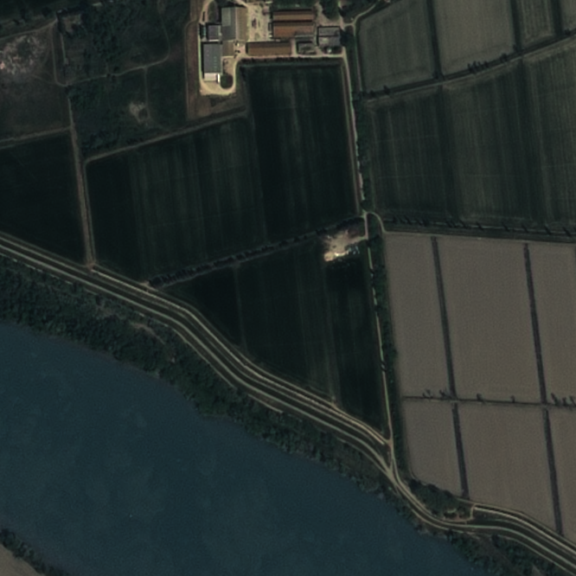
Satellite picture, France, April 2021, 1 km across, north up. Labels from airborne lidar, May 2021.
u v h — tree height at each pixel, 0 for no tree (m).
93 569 0
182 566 0
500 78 0
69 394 0
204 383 14
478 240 0
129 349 20
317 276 0
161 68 0
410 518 9
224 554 0
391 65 0
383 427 0
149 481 0
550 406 0
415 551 0
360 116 12
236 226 0
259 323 0
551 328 0
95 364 0
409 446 0
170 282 13
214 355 0
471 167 0
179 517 0
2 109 0
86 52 9
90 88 13
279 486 0
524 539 0
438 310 0
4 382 0
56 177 0
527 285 0
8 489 0
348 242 0
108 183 0
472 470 0
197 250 0
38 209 0
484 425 0
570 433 0
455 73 0
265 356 0
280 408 0
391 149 0
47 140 0
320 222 0
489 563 18
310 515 0
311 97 0
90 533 0
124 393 0
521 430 0
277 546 0
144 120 0
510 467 0
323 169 0
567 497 0
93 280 0
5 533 7
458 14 0
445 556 0
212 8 0
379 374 0
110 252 0
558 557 0
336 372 0
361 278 0
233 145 0
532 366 0
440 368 0
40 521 0
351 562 0
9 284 13
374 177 0
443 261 0
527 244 0
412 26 0
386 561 0
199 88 0
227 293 0
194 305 0
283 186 0
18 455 0
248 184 0
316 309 0
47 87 0
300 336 0
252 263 0
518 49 15
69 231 0
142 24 5
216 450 0
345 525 0
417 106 0
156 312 0
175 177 0
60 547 0
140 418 0
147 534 0
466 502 0
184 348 16
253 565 0
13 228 0
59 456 0
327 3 16
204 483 0
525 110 0
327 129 0
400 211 0
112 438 0
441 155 0
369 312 0
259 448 0
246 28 0
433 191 0
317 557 0
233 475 0
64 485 0
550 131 0
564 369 0
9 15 0
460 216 0
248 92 0
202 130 0
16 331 0
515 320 0
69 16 11
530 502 0
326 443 16
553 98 0
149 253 0
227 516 0
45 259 0
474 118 0
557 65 0
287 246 13
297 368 0
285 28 0
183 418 0
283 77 0
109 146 12
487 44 0
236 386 0
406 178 0
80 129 5
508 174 0
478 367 0
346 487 0
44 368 0
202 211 0
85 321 17
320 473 0
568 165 0
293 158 0
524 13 0
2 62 0
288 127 0
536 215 0
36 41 0
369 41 0
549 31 0
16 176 0
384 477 0
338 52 13
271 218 0
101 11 19
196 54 0
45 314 18
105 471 0
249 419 17
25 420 0
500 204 0
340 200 0
